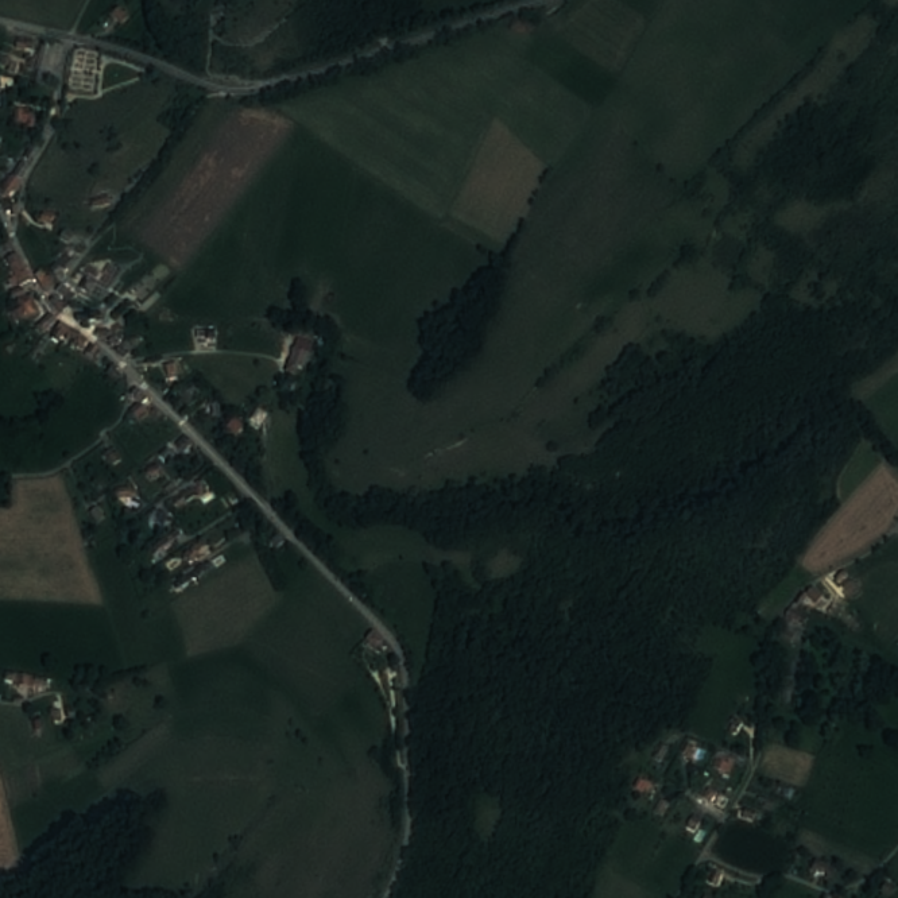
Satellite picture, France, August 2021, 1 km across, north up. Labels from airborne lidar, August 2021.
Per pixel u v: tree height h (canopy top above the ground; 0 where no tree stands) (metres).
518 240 11
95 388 0
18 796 0
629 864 0
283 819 0
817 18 0
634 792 8
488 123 0
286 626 0
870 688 24
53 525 0
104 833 26
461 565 0
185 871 0
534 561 11
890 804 0
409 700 16
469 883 14
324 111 0
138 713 0
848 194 7
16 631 0
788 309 8
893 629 0
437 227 0
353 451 0
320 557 14
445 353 20
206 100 12
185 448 0
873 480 0
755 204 9
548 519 20
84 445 0
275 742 0
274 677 0
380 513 31
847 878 7
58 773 0
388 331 0
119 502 6
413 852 17
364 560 0
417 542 0
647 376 21
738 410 18
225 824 0
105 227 6
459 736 13
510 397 0
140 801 17
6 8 0
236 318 0
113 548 0
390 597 0
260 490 12
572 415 0
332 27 13
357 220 0
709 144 0
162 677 0
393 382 0
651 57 0
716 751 10
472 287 10
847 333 7
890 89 10
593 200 0
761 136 0
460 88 0
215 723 0
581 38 0
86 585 0
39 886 25
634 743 7
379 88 0
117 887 18
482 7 12
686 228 0
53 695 0
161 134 0
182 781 0
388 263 0
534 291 0
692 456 16
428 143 0
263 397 15
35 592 0
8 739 0
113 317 9
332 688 0
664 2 0
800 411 24
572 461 13
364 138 0
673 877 0
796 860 5
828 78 0
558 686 28
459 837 18
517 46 0
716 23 0
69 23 0
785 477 13
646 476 17
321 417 19
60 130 9
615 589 9
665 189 0
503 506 26
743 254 9
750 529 13
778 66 0
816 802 0
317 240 0
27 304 0
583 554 13
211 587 0
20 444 0
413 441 0
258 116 0
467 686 20
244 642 0
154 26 16
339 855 0
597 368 0
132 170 0
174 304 0
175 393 10
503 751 6
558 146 0
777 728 12
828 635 16
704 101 0
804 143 11
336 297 0
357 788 0
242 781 0
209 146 0
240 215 0
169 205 0
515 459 0
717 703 0
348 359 11
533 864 16
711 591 21
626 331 0
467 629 21
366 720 0
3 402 0
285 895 0
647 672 9
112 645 0
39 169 0
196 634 0
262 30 0
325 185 0
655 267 0
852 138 13
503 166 0
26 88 11
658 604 19
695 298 0
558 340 0
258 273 0
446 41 21
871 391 0
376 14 17
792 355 18
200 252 0
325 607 0
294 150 0
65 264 0
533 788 17
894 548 0
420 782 17
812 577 0
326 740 0
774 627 8
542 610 18
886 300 9
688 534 10
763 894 13
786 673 21
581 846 8
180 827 0
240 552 0
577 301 0
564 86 0
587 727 26
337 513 19
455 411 0
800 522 9
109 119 0
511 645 6
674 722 18
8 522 0
